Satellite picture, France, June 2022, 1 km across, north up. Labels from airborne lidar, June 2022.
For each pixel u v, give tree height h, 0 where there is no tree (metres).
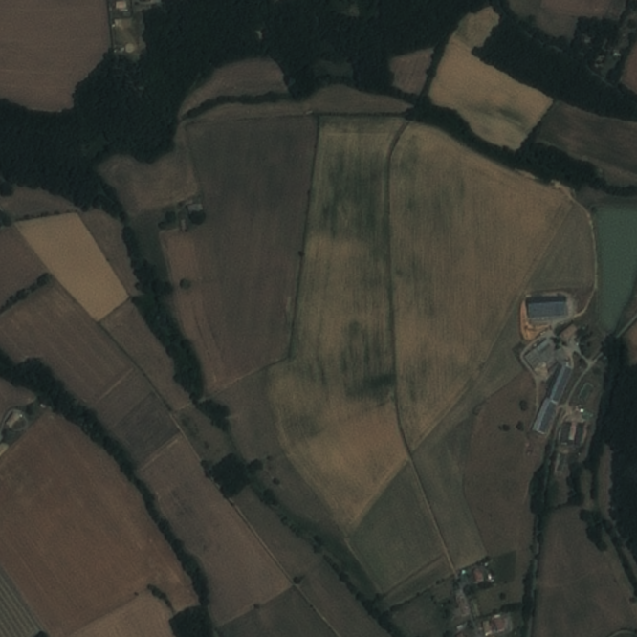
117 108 15
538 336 0
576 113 0
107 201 27
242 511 0
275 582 0
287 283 0
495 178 0
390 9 15
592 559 0
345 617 0
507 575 0
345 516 0
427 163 0
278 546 0
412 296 0
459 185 0
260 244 0
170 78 17
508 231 0
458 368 0
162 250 0
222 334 0
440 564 0
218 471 15
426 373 0
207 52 21
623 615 0
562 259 0
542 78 11
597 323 0
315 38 7
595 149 0
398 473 0
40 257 0
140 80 13
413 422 0
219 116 0
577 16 0
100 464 0
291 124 0
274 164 0
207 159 0
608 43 6
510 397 0
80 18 0
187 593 0
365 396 0
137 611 0
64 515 0
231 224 0
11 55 0
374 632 0
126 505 0
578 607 0
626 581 0
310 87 16
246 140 0
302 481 0
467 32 0
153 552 0
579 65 18
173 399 0
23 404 0
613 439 22
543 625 0
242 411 0
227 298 0
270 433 0
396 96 7
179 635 13
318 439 0
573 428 0
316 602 0
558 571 0
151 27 17
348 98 0
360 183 0
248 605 0
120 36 0
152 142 11
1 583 0
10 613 0
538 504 19
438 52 11
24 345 0
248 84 0
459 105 0
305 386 0
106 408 0
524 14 0
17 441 0
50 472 0
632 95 11
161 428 0
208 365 0
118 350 0
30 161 29
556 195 0
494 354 0
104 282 0
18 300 10
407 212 0
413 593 0
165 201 0
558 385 0
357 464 0
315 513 0
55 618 0
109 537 0
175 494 0
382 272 0
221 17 19
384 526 0
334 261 0
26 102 0
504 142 0
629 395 14
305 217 0
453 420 0
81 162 13
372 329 0
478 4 24
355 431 0
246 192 0
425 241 0
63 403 19
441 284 0
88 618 0
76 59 0
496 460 0
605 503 0
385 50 13
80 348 0
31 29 0
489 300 0
